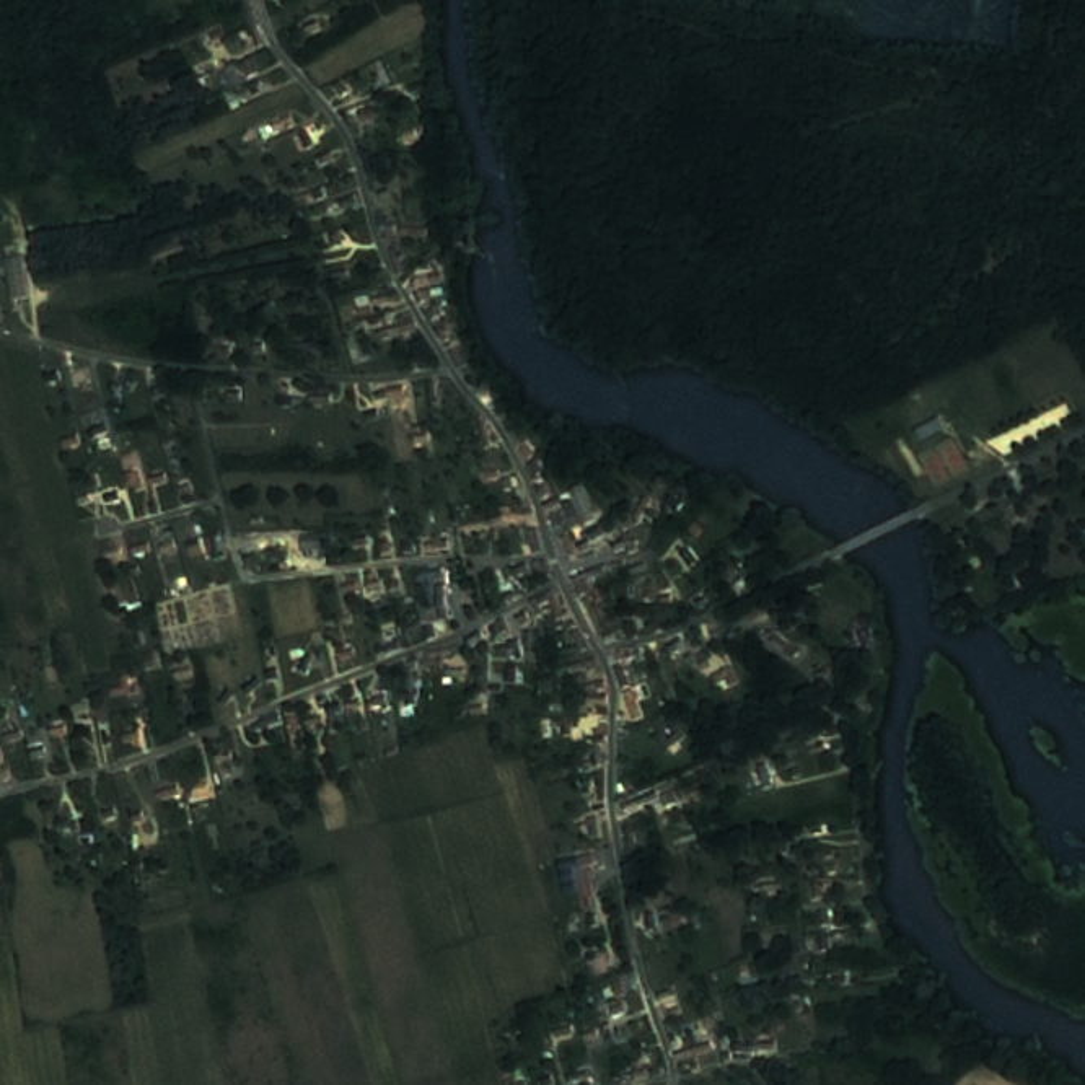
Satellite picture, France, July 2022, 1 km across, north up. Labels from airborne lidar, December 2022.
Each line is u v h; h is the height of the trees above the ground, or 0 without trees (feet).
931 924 0
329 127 0
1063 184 54
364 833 0
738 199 43
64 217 0
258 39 0
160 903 0
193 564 0
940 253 26
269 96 0
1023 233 48
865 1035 52
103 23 31
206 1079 0
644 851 26
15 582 0
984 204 45
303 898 0
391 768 0
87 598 0
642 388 0
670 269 57
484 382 27
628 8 46
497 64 71
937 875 0
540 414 52
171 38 34
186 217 76
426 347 52
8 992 0
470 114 0
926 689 0
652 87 54
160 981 0
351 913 0
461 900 0
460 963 0
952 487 0
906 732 0
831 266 55
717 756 18
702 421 0
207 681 24
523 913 0
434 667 0
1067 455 63
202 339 51
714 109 60
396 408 0
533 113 73
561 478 31
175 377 49
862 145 29
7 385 0
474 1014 0
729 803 41
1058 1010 0
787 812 0
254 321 42
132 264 30
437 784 0
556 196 76
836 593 0
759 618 0
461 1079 0
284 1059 0
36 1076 0
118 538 0
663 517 26
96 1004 0
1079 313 61
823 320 55
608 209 72
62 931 0
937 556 46
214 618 0
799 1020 0
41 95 35
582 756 27
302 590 0
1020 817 0
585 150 84
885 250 38
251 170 0
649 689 0
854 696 52
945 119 36
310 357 56
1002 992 0
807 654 0
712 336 48
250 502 58
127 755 0
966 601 51
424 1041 0
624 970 26
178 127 67
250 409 0
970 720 0
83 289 0
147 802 0
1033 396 0
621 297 86
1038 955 0
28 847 0
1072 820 0
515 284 0
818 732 49
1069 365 0
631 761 34
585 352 67
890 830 0
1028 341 0
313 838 0
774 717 56
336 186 31
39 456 0
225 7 29
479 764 0
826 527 0
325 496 43
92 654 0
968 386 0
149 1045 0
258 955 0
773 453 0
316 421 0
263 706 0
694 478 52
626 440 74
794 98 30
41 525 0
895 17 0
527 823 0
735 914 0
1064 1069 37
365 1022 0
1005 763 0
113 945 34
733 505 0
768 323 45
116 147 26
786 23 80
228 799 0
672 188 66
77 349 0
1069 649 0
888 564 0
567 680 26
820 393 43
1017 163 36
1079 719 0
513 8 52
